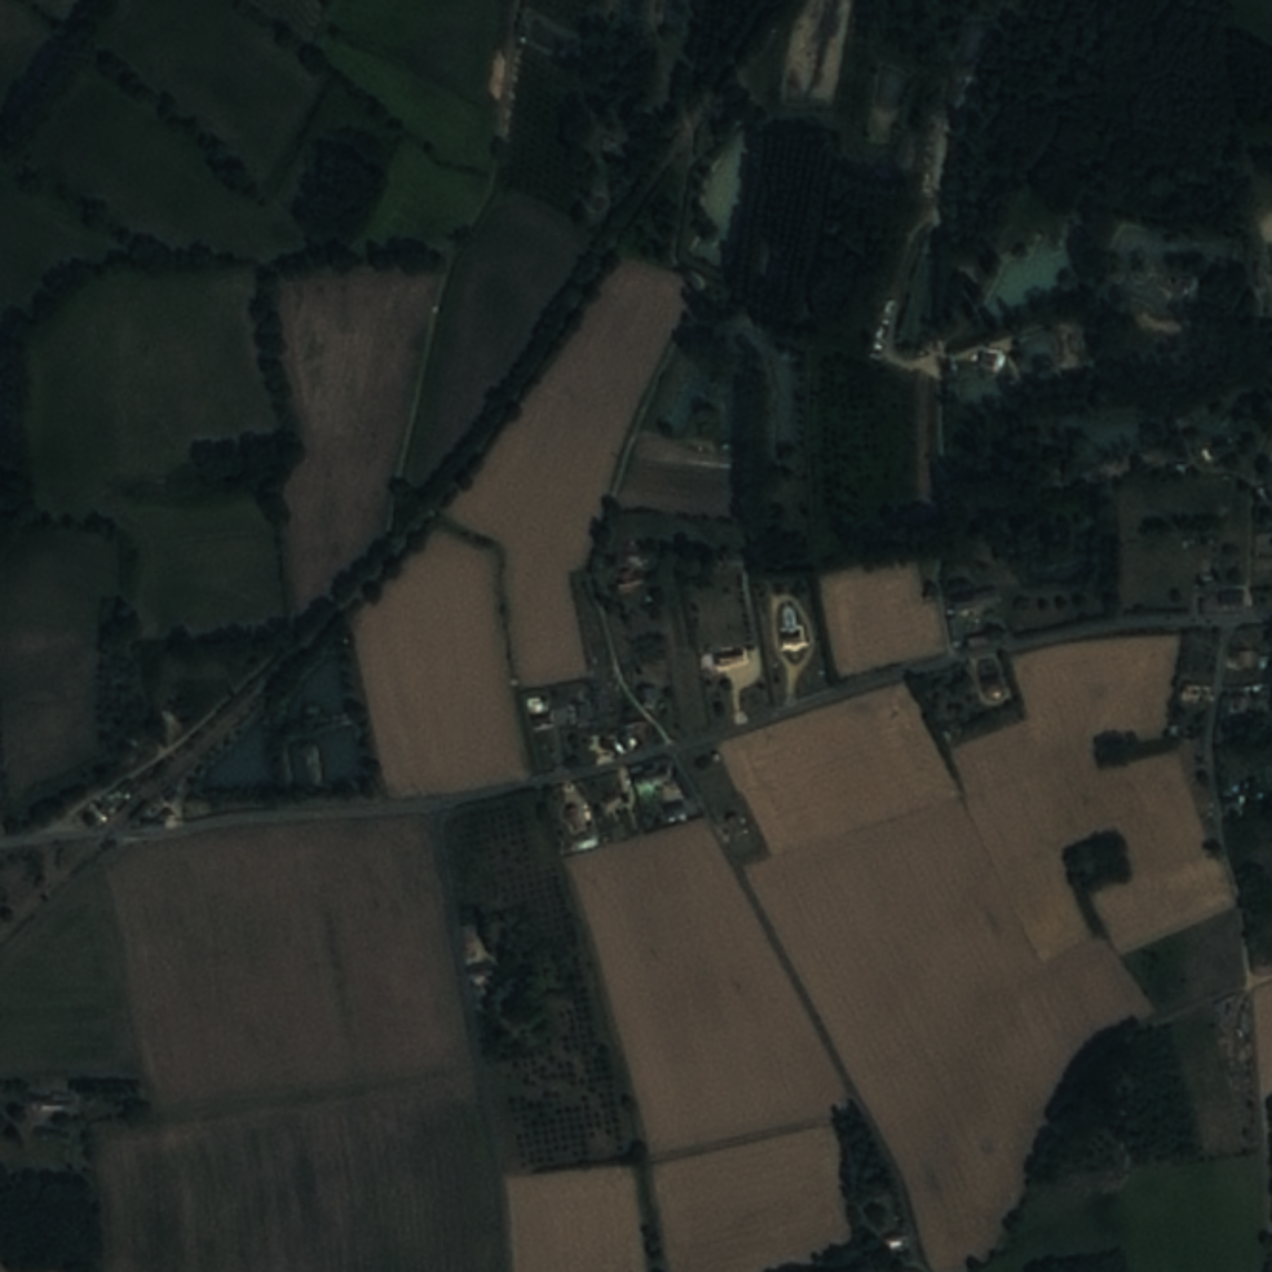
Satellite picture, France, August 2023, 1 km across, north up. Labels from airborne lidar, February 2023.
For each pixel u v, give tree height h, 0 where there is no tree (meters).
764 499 32
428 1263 0
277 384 19
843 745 0
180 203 0
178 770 0
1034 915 0
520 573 0
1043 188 19
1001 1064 0
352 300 0
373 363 0
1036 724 0
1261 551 0
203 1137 0
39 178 7
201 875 0
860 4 8
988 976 0
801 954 0
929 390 0
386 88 0
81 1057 0
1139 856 0
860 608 0
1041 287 0
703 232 7
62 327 0
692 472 0
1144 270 14
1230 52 12
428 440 0
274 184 0
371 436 0
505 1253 0
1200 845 0
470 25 0
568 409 0
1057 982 0
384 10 0
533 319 0
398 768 0
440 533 0
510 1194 0
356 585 10
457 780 0
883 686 0
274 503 24
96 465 0
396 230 0
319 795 8
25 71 0
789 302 29
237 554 0
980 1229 0
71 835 0
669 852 0
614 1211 0
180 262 12
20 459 31
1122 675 0
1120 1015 0
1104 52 29
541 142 0
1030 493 31
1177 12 30
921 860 0
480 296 0
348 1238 0
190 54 0
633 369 0
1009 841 0
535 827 0
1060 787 0
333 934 0
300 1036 0
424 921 0
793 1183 0
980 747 0
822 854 0
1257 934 10
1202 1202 0
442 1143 0
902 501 0
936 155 0
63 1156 0
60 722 0
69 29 8
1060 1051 0
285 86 0
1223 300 13
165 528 0
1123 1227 0
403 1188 0
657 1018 0
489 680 0
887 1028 0
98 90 0
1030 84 24
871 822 0
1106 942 0
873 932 0
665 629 0
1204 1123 0
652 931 0
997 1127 0
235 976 0
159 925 0
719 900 0
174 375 0
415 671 0
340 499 0
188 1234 0
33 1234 18
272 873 0
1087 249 20
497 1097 0
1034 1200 0
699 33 19
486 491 0
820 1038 0
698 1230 0
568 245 0
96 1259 13
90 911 0
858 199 32
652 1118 0
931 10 27
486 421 6
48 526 14
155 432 0
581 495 0
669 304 0
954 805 0
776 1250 0
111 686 9
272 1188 0
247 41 0
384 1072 0
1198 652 0
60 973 0
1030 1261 0
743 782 0
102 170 0
